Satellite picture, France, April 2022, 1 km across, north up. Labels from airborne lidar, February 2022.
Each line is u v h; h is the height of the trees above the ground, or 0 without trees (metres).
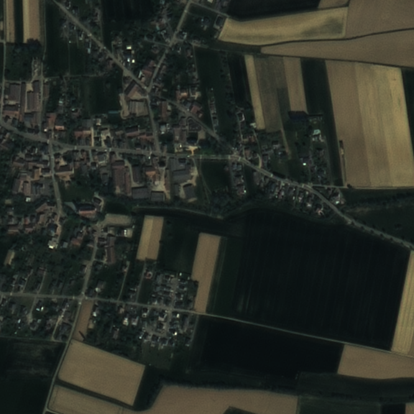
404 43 0
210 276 0
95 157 0
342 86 0
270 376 0
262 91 0
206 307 0
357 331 0
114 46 6
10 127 0
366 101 0
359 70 0
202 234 0
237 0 0
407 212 0
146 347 0
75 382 0
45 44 0
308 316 0
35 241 10
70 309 0
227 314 0
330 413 0
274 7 0
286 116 0
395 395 0
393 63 0
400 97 0
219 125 0
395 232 0
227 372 0
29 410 0
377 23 0
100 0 0
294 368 0
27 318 0
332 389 0
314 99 0
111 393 0
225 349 0
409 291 0
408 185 0
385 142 0
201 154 0
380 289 0
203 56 0
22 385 0
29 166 0
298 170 0
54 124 0
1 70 0
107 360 0
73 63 0
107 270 0
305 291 0
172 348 0
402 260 0
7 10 0
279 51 0
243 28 0
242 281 0
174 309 0
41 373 0
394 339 0
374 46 0
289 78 0
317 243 0
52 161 0
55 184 0
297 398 0
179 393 0
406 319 0
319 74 0
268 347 0
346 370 0
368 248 0
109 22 0
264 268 0
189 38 13
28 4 0
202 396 0
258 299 0
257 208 0
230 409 0
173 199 0
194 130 0
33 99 0
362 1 0
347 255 0
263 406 0
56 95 0
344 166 0
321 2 0
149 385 0
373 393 0
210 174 0
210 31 0
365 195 0
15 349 0
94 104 0
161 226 0
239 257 0
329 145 0
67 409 0
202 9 0
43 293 0
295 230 0
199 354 0
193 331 0
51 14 0
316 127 0
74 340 0
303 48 0
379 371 0
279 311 0
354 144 0
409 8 0
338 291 0
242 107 0
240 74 0
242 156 6
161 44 0
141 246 0
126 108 0
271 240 0
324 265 0
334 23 0
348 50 0
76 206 0
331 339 0
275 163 0
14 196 19
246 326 0
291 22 0
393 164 0
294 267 0
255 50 0
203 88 0
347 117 0
